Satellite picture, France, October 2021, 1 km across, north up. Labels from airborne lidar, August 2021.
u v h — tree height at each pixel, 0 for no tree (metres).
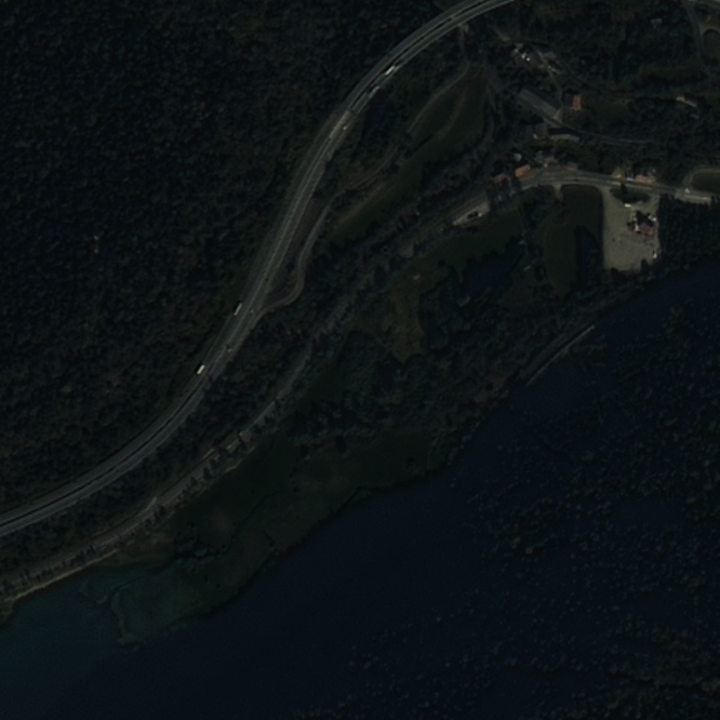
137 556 0
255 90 13
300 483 0
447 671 17
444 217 28
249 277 0
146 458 12
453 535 25
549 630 32
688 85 8
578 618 9
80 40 17
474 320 25
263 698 21
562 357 0
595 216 0
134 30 11
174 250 16
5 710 0
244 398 33
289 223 0
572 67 6
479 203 0
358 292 0
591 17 17
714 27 0
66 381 20
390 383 20
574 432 22
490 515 24
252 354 28
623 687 16
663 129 9
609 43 15
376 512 0
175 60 20
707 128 7
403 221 18
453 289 6
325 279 27
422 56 20
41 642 0
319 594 12
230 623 0
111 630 0
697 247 13
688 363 10
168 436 14
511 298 0
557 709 19
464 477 16
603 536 30
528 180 0
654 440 14
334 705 24
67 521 19
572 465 22
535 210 8
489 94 0
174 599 0
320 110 16
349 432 19
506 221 0
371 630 22
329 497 0
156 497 0
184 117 15
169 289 19
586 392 19
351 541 0
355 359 8
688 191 0
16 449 11
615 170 0
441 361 29
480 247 0
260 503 0
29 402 7
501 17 29
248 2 17
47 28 26
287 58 11
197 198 9
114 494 24
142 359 8
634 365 21
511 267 14
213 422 28
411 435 0
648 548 31
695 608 27
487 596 26
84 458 16
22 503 9
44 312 12
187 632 0
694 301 10
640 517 10
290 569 0
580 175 0
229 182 13
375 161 8
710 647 31
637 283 13
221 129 16
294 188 0
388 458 0
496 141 13
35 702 0
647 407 21
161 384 22
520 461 23
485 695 9
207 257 10
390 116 30
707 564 19
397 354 0
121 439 16
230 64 12
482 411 11
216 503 0
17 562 20
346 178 0
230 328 0
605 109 0
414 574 24
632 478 10
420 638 28
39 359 12
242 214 9
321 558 0
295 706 18
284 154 17
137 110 18
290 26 17
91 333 13
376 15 14
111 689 0
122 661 0
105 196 16
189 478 0
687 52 17
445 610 24
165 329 8
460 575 28
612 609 32
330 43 20
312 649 27
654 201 0
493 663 25
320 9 14
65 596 0
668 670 26
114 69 11
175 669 0
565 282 0
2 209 20
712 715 11
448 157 0
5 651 0
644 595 29
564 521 15
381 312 0
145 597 0
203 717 25
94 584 0
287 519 0
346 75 15
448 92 0
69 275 13
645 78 0
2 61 25
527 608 29
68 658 0
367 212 0
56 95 18
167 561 0
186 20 16
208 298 37
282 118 15
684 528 7
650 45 10
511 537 28
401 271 7
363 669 30
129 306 16
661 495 15
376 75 16
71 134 12
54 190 14
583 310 7
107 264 17
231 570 0
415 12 15
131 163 25
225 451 0
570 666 22
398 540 7
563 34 15
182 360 15
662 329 24
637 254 0
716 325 35
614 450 26
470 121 0
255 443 11
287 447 0
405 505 0
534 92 0
